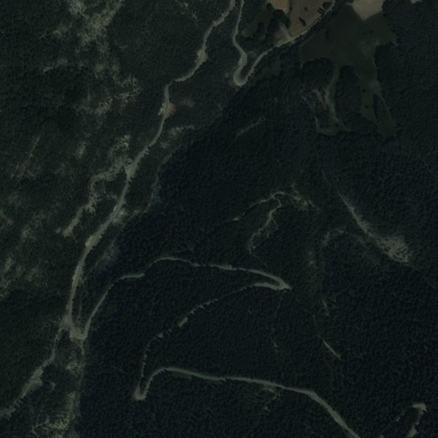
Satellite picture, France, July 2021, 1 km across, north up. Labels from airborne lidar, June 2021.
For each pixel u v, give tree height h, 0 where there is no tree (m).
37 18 11
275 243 18
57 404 13
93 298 10
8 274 7
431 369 32
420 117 17
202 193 27
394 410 9
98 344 17
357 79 23
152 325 22
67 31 6
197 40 10
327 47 0
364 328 32
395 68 18
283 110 13
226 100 10
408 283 30
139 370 15
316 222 13
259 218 10
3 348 14
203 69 11
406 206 12
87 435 16
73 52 9
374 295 25
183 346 28
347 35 0
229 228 22
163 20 9
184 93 7
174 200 23
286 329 24
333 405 20
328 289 17
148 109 11
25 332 8
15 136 9
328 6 17
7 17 13
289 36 0
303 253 15
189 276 26
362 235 8
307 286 9
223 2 7
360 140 24
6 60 10
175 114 11
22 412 13
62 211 6
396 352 19
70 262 10
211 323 27
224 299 26
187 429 21
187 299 27
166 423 30
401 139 19
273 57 14
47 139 9
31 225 6
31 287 8
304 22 32
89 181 11
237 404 20
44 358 6
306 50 0
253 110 19
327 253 12
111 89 8
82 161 6
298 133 21
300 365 16
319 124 6
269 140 26
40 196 13
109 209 5
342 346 19
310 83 15
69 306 0
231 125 17
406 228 10
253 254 8
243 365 21
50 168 13
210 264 10
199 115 9
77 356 8
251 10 13
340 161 25
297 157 18
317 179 18
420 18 22
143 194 13
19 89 7
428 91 18
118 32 7
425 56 18
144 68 7
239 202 23
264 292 19
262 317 18
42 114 16
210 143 22
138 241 27
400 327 14
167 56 9
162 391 16
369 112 0
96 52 11
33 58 10
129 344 28
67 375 12
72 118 15
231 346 25
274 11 6
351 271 29
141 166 6
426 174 8
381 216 10
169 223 23
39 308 19
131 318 24
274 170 15
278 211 10
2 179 7
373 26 0
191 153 23
